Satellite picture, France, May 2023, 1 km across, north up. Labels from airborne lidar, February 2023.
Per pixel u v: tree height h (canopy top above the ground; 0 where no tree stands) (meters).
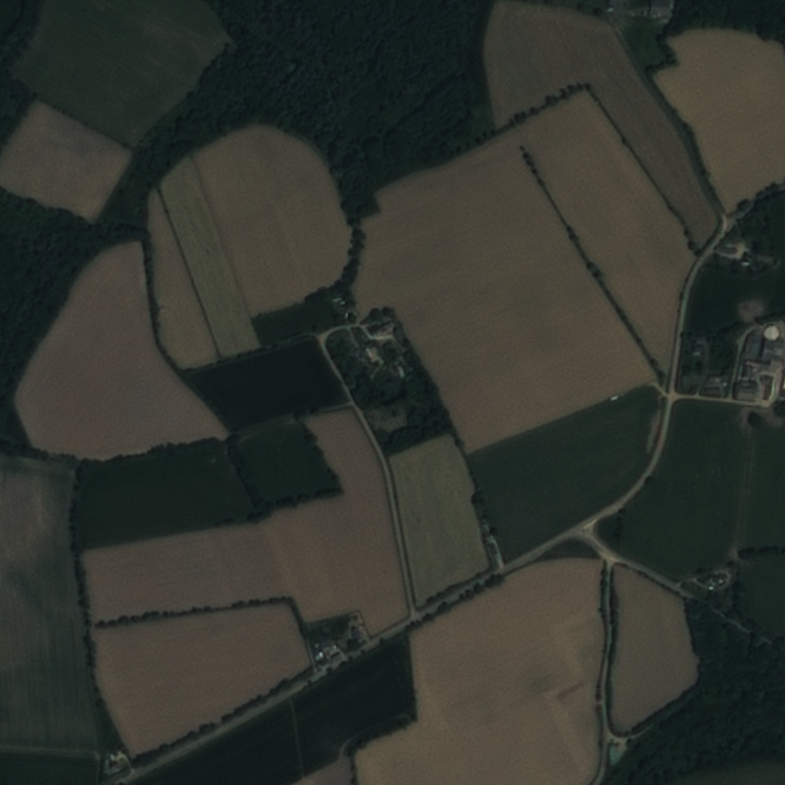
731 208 0
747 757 15
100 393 0
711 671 20
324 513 0
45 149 0
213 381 0
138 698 0
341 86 20
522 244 0
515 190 0
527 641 0
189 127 10
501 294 0
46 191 0
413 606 0
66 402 0
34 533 0
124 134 0
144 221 0
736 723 14
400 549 0
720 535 0
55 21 0
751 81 0
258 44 25
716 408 0
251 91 10
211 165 0
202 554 0
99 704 10
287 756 0
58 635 0
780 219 0
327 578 0
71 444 0
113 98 0
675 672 0
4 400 13
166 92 0
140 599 0
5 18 0
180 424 0
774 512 0
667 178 0
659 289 0
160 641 0
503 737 0
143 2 0
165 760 0
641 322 0
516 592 0
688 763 15
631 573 0
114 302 0
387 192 0
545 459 0
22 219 16
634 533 0
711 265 6
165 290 0
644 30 0
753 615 0
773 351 0
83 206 0
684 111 0
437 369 0
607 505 0
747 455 0
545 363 0
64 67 0
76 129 0
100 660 0
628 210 0
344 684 0
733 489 0
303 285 0
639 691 0
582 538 0
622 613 0
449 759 0
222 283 0
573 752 0
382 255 0
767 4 18
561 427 0
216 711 0
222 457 0
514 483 0
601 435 0
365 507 0
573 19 0
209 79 13
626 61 0
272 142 0
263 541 0
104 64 0
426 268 0
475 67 0
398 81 13
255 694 0
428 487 0
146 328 0
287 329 0
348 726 0
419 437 7
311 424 0
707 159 0
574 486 0
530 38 0
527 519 0
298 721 0
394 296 0
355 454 0
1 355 15
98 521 0
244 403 0
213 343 0
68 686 0
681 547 0
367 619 0
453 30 20
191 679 0
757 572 0
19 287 13
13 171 0
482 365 0
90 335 0
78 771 0
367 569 0
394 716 0
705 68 0
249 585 0
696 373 7
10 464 0
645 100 0
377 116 8
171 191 0
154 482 0
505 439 0
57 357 0
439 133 7
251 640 0
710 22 16
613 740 0
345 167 24
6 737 0
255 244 0
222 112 10
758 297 0
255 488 11
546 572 0
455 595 0
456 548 0
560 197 0
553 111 0
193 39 0
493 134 9
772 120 0
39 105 0
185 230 0
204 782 0
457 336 0
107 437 0
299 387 0
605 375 0
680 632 0
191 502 0
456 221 0
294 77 23
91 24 0
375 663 0
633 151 0
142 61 0
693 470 0
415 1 13
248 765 0
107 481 0
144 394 0
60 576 0
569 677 0
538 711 0
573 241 10
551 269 0
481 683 0
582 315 0
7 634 0
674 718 7
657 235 0
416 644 0
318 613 0
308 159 0
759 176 0
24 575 0
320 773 0
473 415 0
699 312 0
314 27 17
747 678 14
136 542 0
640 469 0
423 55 19
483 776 0
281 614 0
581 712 0
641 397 0
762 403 0
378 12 17
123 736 0
